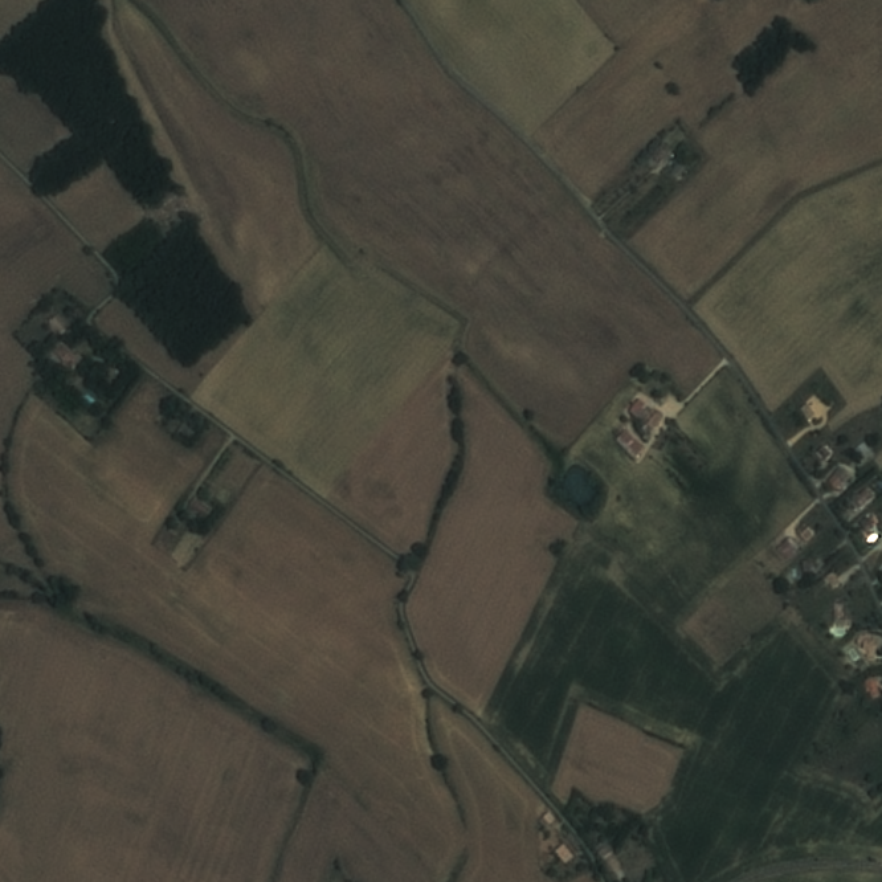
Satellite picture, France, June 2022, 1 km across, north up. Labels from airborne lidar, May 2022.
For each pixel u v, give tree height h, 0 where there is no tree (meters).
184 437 13
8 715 0
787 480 0
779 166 0
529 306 0
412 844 0
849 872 0
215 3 0
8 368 0
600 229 0
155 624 0
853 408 0
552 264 0
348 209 0
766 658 0
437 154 0
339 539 0
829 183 0
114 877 0
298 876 0
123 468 0
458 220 0
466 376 0
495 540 0
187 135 0
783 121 0
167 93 0
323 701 0
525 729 0
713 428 0
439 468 0
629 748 0
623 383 0
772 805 0
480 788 0
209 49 0
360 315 0
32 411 0
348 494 0
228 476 0
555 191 0
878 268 0
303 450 0
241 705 0
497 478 0
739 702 0
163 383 0
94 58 17
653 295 0
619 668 0
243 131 0
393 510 0
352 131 0
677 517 0
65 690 0
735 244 0
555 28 0
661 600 0
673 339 0
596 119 0
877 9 0
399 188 0
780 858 0
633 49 0
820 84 0
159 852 0
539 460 0
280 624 0
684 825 0
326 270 0
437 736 0
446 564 0
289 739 0
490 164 0
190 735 0
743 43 0
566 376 0
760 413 9
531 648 0
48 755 0
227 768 0
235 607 0
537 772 0
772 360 0
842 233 0
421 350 0
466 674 0
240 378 0
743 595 0
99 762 0
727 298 0
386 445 0
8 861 0
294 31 0
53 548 0
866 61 0
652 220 0
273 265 0
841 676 0
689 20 0
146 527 0
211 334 20
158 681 0
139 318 12
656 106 0
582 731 0
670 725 0
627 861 0
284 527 0
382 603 0
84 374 6
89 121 14
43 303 13
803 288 0
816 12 0
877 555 0
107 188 0
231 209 0
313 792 0
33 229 0
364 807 0
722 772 0
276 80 0
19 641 0
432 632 0
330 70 0
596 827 10
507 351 0
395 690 0
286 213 0
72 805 0
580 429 0
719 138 0
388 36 0
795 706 0
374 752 0
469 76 0
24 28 15
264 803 0
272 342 0
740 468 0
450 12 0
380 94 0
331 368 0
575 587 0
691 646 0
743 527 0
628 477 0
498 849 0
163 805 0
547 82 0
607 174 0
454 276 0
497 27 0
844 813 0
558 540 6
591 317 0
